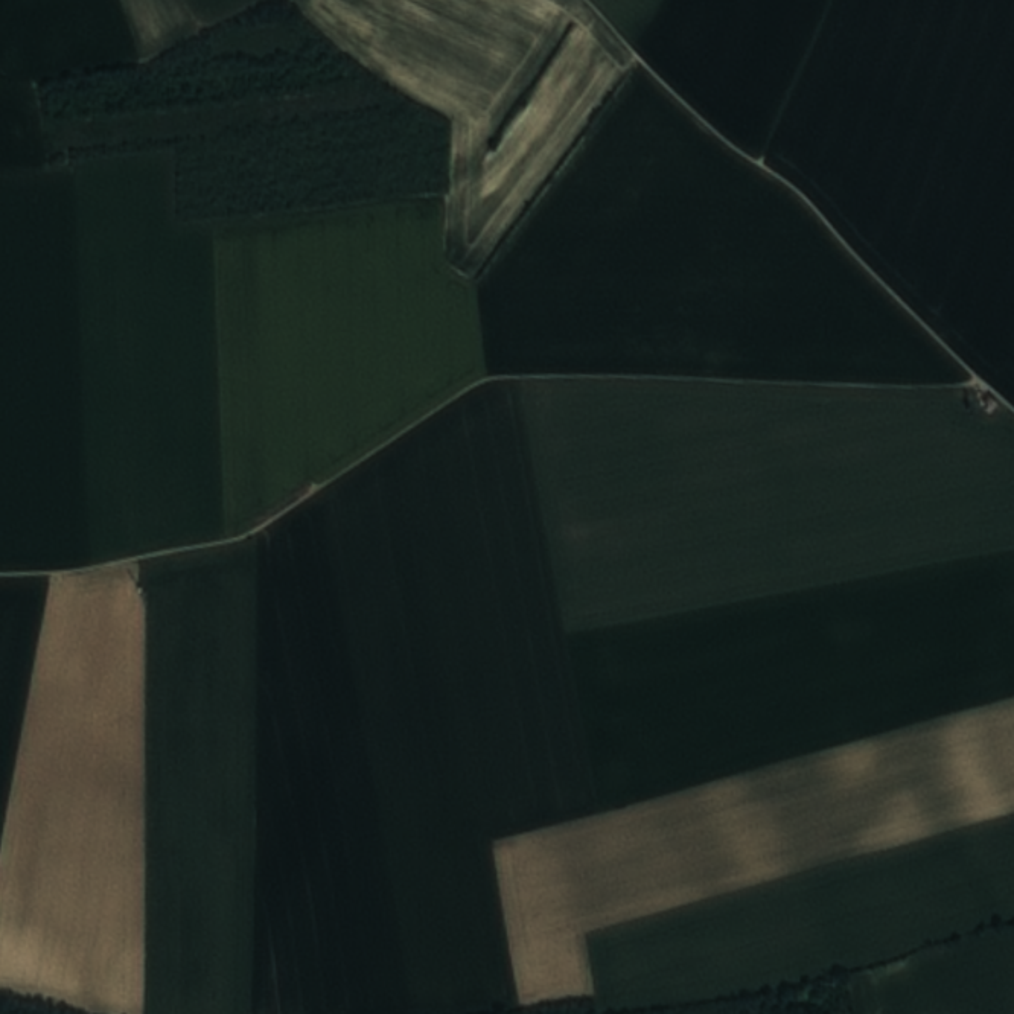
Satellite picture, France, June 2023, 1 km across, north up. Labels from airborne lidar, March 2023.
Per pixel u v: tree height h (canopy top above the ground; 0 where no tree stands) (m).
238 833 0
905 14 0
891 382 0
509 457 0
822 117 0
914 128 0
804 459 0
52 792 0
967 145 0
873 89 0
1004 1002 0
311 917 0
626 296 0
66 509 0
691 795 0
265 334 0
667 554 0
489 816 0
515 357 0
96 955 0
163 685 0
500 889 0
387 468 0
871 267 0
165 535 0
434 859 0
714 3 0
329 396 0
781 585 0
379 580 0
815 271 0
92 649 0
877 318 0
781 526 0
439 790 0
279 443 0
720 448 0
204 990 0
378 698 0
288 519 0
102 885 0
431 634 0
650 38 0
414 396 0
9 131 0
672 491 0
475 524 0
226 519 0
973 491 0
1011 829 0
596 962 0
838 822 0
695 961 0
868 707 0
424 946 0
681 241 0
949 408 0
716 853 0
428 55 0
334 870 0
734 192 0
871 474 0
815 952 0
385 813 0
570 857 0
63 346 0
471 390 0
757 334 0
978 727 0
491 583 0
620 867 0
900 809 0
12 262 0
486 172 0
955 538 0
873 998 0
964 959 0
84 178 0
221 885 0
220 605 0
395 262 0
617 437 0
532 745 0
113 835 0
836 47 0
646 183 0
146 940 0
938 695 0
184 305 0
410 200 0
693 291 0
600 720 0
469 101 0
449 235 0
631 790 0
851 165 0
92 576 0
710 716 0
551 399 0
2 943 0
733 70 0
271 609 0
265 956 0
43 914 0
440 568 0
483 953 0
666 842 0
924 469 0
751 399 0
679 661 0
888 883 0
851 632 0
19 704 0
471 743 0
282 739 0
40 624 0
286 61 6
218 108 0
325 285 0
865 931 0
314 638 0
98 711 0
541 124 0
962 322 0
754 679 0
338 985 0
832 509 0
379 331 0
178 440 0
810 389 0
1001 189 0
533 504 0
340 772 0
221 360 0
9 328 0
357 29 0
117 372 0
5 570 0
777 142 0
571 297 0
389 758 0
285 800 0
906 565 0
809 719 0
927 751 0
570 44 0
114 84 7
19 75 0
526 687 0
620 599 0
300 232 0
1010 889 0
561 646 0
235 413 0
